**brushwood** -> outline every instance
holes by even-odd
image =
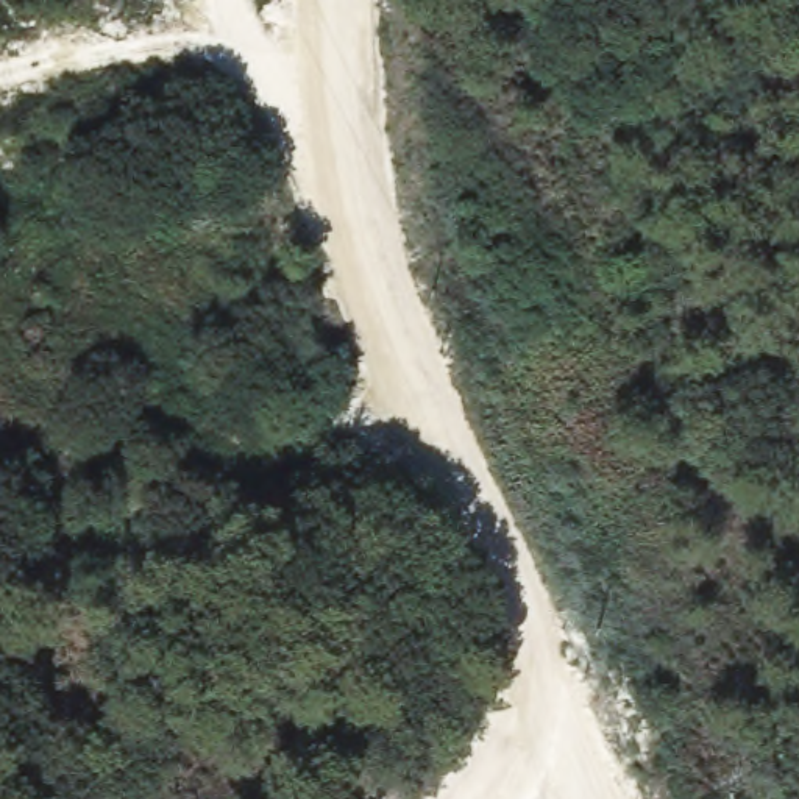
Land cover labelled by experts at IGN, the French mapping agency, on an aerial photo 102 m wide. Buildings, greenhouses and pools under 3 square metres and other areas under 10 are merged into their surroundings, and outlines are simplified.
[[[140,28],[153,25],[153,16],[162,12],[162,0],[103,0],[119,9],[119,22],[137,22]]]
[[[0,0],[0,37],[37,41],[47,28],[69,22],[97,31],[97,0]]]
[[[459,218],[462,247],[456,247],[465,275],[446,284],[446,290],[440,293],[443,300],[456,303],[459,321],[440,337],[443,343],[449,343],[453,353],[449,378],[462,396],[465,418],[509,509],[518,518],[518,527],[524,531],[540,581],[546,584],[556,612],[574,615],[574,624],[584,637],[590,643],[593,662],[609,665],[630,680],[637,708],[649,721],[652,755],[649,762],[634,762],[627,768],[637,780],[640,799],[799,799],[799,537],[774,534],[768,518],[752,515],[749,502],[737,496],[730,459],[718,449],[708,449],[715,437],[721,437],[718,415],[699,418],[690,431],[684,431],[680,418],[671,409],[671,396],[684,387],[687,378],[718,375],[724,368],[712,343],[730,337],[730,325],[724,309],[718,306],[693,309],[687,303],[690,278],[680,278],[680,259],[652,259],[643,253],[643,237],[634,231],[640,222],[646,222],[640,200],[646,197],[646,190],[668,190],[674,184],[668,175],[659,175],[643,159],[643,153],[627,156],[612,131],[581,134],[574,125],[568,125],[552,91],[527,72],[524,59],[518,59],[515,41],[521,34],[524,19],[518,12],[518,0],[400,0],[400,6],[424,25],[418,41],[424,59],[424,69],[418,72],[418,84],[424,91],[421,125],[428,131],[431,162],[424,175],[424,190],[434,200],[471,206],[471,218]],[[737,702],[712,702],[712,684],[727,665],[755,665],[758,684],[771,690],[774,708],[765,712],[755,705],[737,708]]]

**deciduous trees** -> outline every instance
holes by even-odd
[[[581,134],[612,131],[618,125],[643,125],[649,119],[677,119],[684,112],[696,112],[715,103],[715,97],[705,94],[699,84],[680,81],[674,75],[671,44],[674,28],[684,16],[680,0],[518,0],[518,12],[524,19],[521,34],[515,41],[518,59],[524,59],[527,72],[552,91],[568,125],[574,125]]]
[[[284,128],[281,112],[256,100],[253,81],[247,78],[247,66],[231,50],[200,47],[184,50],[172,59],[109,62],[84,72],[62,72],[47,78],[44,91],[19,91],[9,106],[0,106],[0,137],[12,134],[22,153],[34,159],[53,159],[59,140],[69,137],[69,169],[62,169],[59,178],[62,194],[69,200],[69,215],[84,231],[81,243],[87,250],[165,250],[184,240],[184,228],[194,218],[231,215],[234,222],[240,222],[237,243],[253,243],[259,250],[259,265],[265,265],[268,290],[262,297],[250,290],[247,297],[228,303],[218,300],[190,315],[190,334],[184,337],[181,353],[184,359],[200,362],[209,381],[247,387],[265,396],[290,396],[293,390],[306,393],[321,384],[340,384],[353,393],[359,381],[356,331],[350,321],[325,318],[328,256],[321,243],[328,237],[328,222],[293,200],[287,178],[293,162],[293,140]]]
[[[6,668],[9,652],[0,646],[0,752],[19,749],[28,733],[56,733],[62,721],[50,718],[34,680]]]
[[[19,474],[0,471],[0,587],[6,584],[9,571],[16,571],[19,559],[47,556],[53,546],[50,540],[62,534],[100,531],[109,537],[140,537],[144,552],[153,556],[156,537],[200,531],[212,515],[222,512],[222,499],[209,484],[184,474],[178,468],[178,459],[184,459],[194,449],[206,449],[215,456],[243,456],[237,446],[228,446],[228,440],[222,440],[218,428],[194,428],[169,446],[162,446],[156,434],[137,418],[144,409],[153,406],[147,381],[125,375],[109,375],[100,381],[81,378],[69,390],[66,409],[59,415],[62,428],[47,443],[72,465],[100,456],[112,446],[125,456],[125,468],[131,474],[128,484],[115,484],[112,478],[106,478],[97,490],[84,484],[78,490],[66,490],[59,509],[44,512],[44,506],[22,499]]]

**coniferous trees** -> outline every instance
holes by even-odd
[[[81,378],[100,381],[109,375],[125,375],[147,381],[153,375],[153,359],[128,334],[100,337],[87,350],[81,350],[72,359],[72,371]]]
[[[727,665],[712,684],[712,702],[737,702],[737,708],[755,705],[765,712],[774,708],[771,690],[758,684],[755,665]]]
[[[684,431],[690,431],[699,418],[718,415],[721,437],[715,437],[708,449],[718,449],[730,459],[737,496],[749,502],[752,515],[768,518],[774,534],[799,537],[799,0],[680,0],[684,16],[674,28],[671,44],[674,75],[680,81],[699,84],[705,94],[715,97],[715,103],[696,112],[684,112],[677,119],[649,119],[643,125],[618,125],[612,131],[627,156],[643,153],[643,159],[659,175],[668,175],[674,184],[668,190],[646,190],[646,197],[640,200],[646,222],[640,222],[634,231],[643,237],[643,253],[652,259],[680,259],[680,278],[690,278],[687,303],[693,309],[718,306],[724,309],[730,325],[730,337],[712,343],[724,368],[718,375],[687,378],[684,387],[671,396],[671,409],[680,418]]]
[[[162,446],[169,446],[194,428],[190,421],[153,406],[144,409],[137,418],[156,434]]]
[[[331,421],[303,446],[243,456],[215,456],[206,449],[194,449],[184,459],[178,459],[178,468],[184,474],[209,484],[222,499],[222,512],[212,515],[200,531],[156,537],[153,556],[144,552],[140,537],[109,537],[100,531],[62,534],[50,540],[53,546],[47,556],[19,559],[16,571],[9,571],[6,584],[0,587],[0,646],[9,652],[6,668],[34,680],[50,718],[62,721],[56,733],[28,733],[19,749],[0,752],[0,799],[424,799],[437,796],[443,777],[465,765],[465,758],[471,755],[471,740],[484,730],[484,718],[496,705],[499,690],[506,690],[515,680],[521,621],[506,612],[499,577],[487,571],[484,562],[468,549],[465,534],[456,531],[456,515],[449,509],[431,512],[421,506],[428,499],[428,487],[421,487],[418,481],[421,471],[406,462],[387,462],[375,446],[353,446],[346,424]]]

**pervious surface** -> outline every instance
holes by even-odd
[[[518,518],[509,509],[465,418],[462,396],[449,378],[453,353],[449,343],[443,343],[440,337],[431,309],[421,303],[424,284],[418,284],[409,272],[406,237],[400,228],[396,175],[387,140],[384,59],[378,44],[378,0],[162,0],[162,12],[153,16],[153,25],[140,28],[137,22],[119,22],[119,9],[103,0],[97,0],[97,31],[69,22],[47,28],[37,41],[0,37],[0,106],[9,106],[19,91],[44,91],[47,78],[62,72],[84,72],[109,62],[172,59],[184,50],[200,47],[231,50],[247,66],[247,78],[253,81],[256,100],[281,112],[284,128],[293,140],[293,162],[287,178],[293,200],[328,222],[328,237],[321,243],[328,256],[325,318],[350,321],[356,331],[359,381],[353,393],[343,409],[343,418],[350,421],[346,424],[353,446],[375,446],[387,462],[406,462],[421,471],[418,481],[421,487],[428,487],[428,499],[421,506],[431,512],[449,509],[456,515],[456,531],[465,534],[468,549],[484,562],[487,571],[499,577],[506,612],[521,621],[515,680],[506,690],[499,690],[496,705],[484,718],[484,730],[471,740],[471,755],[465,758],[465,765],[443,777],[437,796],[424,799],[640,799],[637,780],[627,768],[615,758],[590,708],[593,684],[584,680],[584,671],[571,668],[559,655],[562,640],[581,643],[584,637],[574,624],[574,615],[556,612],[546,584],[540,581],[524,531],[518,527]]]

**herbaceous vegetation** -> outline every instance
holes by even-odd
[[[440,337],[459,321],[456,303],[443,300],[440,293],[446,290],[446,284],[465,275],[456,247],[462,247],[459,218],[471,218],[471,206],[434,200],[424,190],[424,175],[431,162],[428,131],[421,125],[424,91],[418,84],[418,72],[424,69],[424,59],[418,41],[424,25],[400,6],[400,0],[378,0],[378,44],[384,59],[387,140],[396,175],[400,228],[406,237],[409,272],[418,284],[424,284],[421,303],[431,309]]]
[[[190,334],[190,315],[218,300],[228,303],[247,297],[250,290],[262,297],[268,290],[265,265],[259,265],[259,250],[253,243],[237,243],[240,222],[234,222],[231,215],[194,218],[184,228],[184,240],[165,250],[87,250],[81,243],[84,231],[69,215],[69,200],[62,194],[59,178],[62,169],[69,169],[69,137],[59,140],[53,159],[34,159],[22,153],[12,134],[0,137],[0,471],[19,474],[22,499],[44,506],[44,512],[59,509],[66,490],[78,490],[84,484],[97,490],[106,478],[112,478],[115,484],[128,484],[131,474],[125,468],[125,456],[112,446],[100,456],[72,465],[47,443],[62,428],[59,415],[66,409],[69,390],[81,378],[72,371],[72,359],[81,350],[87,350],[100,337],[128,334],[153,359],[153,375],[147,381],[153,406],[190,421],[194,428],[218,428],[222,440],[228,440],[228,446],[237,446],[243,456],[303,446],[331,421],[346,424],[350,421],[343,418],[343,409],[353,393],[340,384],[321,384],[306,393],[293,390],[290,396],[265,396],[247,387],[209,381],[200,362],[184,359],[181,353],[184,337]]]
[[[571,668],[584,671],[584,680],[593,684],[590,708],[615,758],[627,768],[634,762],[649,762],[652,755],[649,721],[637,708],[630,680],[609,665],[593,662],[590,643],[584,637],[581,643],[562,640],[559,655]]]

